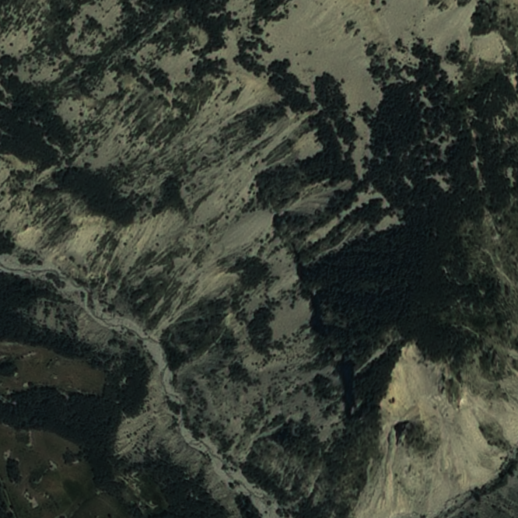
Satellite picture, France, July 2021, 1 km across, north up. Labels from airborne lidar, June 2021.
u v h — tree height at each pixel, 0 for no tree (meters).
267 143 0
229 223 0
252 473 11
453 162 9
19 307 8
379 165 12
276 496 11
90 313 0
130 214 9
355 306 12
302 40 0
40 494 0
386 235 8
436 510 0
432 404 0
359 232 0
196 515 15
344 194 7
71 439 11
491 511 0
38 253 0
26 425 10
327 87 7
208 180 0
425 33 0
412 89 10
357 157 0
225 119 0
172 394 0
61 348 13
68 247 0
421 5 0
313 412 0
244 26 0
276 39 0
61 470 0
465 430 0
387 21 0
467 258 9
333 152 9
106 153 0
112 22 0
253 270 7
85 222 0
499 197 9
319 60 0
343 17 0
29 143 12
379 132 11
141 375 10
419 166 10
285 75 10
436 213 13
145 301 7
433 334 14
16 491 0
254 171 0
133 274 0
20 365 0
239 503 12
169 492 11
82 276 0
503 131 12
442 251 14
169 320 0
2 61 8
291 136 0
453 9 0
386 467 0
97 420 13
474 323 7
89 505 0
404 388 0
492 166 13
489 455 0
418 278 14
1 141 8
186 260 0
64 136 7
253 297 0
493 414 0
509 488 0
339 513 7
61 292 0
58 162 7
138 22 6
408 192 10
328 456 8
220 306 6
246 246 0
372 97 0
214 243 0
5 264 0
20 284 9
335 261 18
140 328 0
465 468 0
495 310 7
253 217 0
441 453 0
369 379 14
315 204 0
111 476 9
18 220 0
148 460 6
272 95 0
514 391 0
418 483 0
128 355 8
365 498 0
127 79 0
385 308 13
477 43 0
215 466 0
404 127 10
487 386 0
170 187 9
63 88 0
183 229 0
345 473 8
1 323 12
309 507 7
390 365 12
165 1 9
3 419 8
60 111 0
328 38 0
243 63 7
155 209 6
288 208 0
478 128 12
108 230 0
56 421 13
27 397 13
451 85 9
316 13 0
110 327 0
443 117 8
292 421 10
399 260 14
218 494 0
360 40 0
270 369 0
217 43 9
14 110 9
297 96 8
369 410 12
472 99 9
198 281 0
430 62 10
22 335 9
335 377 7
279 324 0
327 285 13
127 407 8
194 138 0
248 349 0
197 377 0
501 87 11
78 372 0
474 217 10
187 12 6
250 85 0
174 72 0
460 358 9
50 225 0
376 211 13
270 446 7
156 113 0
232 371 7
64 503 0
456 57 7
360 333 13
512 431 0
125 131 0
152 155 0
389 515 0
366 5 0
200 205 0
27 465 0
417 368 0
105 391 10
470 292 10
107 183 7
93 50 0
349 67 0
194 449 0
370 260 9
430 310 15
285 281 0
